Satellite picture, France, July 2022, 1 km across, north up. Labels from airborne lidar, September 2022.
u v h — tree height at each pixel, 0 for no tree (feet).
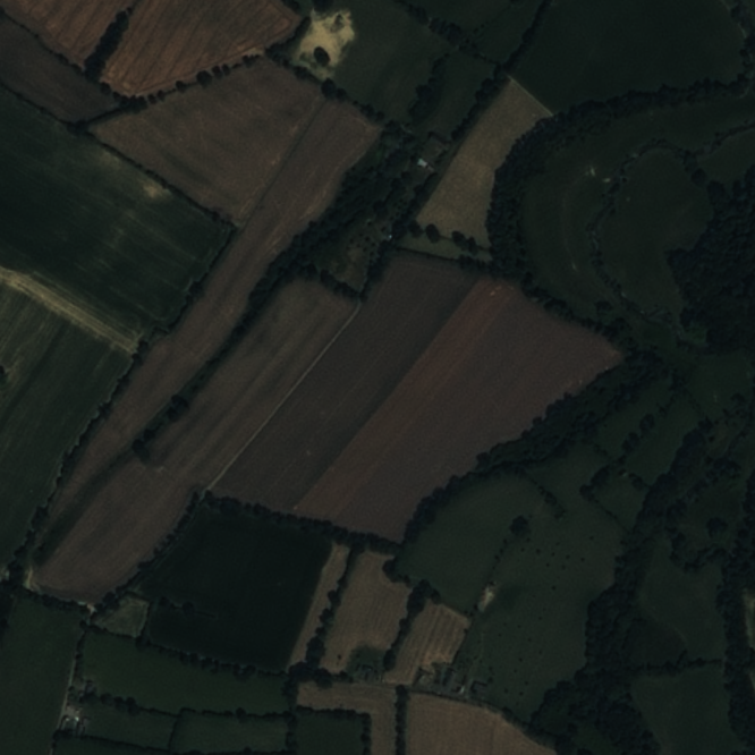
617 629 82
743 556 73
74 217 0
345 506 0
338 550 0
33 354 0
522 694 17
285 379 0
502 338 0
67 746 0
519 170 87
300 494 0
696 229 0
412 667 0
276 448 0
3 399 0
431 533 0
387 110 0
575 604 0
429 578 0
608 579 0
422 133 0
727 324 97
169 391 0
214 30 0
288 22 0
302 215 0
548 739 22
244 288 0
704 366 0
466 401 0
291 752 37
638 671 27
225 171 0
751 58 50
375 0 0
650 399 0
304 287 0
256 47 0
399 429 0
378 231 0
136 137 0
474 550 0
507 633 0
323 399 0
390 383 0
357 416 0
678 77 0
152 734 0
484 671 0
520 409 0
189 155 0
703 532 0
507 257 68
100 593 0
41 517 52
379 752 0
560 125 65
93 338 0
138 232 0
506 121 0
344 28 0
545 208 0
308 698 0
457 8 0
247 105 0
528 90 0
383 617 0
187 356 0
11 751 0
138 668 0
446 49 0
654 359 80
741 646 71
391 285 0
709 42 0
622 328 26
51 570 0
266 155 0
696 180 46
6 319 0
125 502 0
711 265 67
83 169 0
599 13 0
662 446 0
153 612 20
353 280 0
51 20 0
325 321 0
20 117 0
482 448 0
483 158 0
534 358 0
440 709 0
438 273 0
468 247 32
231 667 31
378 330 0
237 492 0
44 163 0
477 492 0
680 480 81
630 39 0
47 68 0
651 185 0
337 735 0
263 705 0
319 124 0
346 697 0
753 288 90
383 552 36
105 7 0
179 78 0
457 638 0
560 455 55
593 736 0
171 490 0
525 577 0
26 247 0
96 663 0
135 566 0
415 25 0
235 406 0
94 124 23
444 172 0
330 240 28
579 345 0
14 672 0
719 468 65
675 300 0
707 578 0
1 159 0
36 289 0
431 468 0
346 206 34
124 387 29
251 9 0
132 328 0
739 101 0
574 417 19
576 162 0
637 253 0
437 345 0
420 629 0
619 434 0
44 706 0
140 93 0
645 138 0
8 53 0
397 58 0
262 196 0
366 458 0
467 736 0
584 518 0
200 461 0
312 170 0
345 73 0
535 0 0
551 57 0
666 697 0
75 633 0
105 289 0
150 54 0
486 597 0
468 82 0
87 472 0
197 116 0
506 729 0
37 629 0
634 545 25
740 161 0
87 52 0
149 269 0
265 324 0
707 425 72
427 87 29
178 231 0
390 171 62
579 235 0
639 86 0
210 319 0
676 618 0
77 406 0
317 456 0
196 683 0
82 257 0
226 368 0
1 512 0
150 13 0
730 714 24
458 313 0
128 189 0
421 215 0
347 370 0
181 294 0
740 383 0
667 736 0
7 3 0
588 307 0
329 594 0
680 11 0
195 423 0
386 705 0
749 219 67
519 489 0
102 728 0
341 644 0
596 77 0
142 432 0
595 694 64
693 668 48
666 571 0
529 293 62
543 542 0
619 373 24
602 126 81
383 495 0
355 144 0
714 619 0
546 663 0
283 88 0
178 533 33
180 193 30
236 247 0
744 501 0
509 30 0
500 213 72
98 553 0
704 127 0
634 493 0
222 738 0
